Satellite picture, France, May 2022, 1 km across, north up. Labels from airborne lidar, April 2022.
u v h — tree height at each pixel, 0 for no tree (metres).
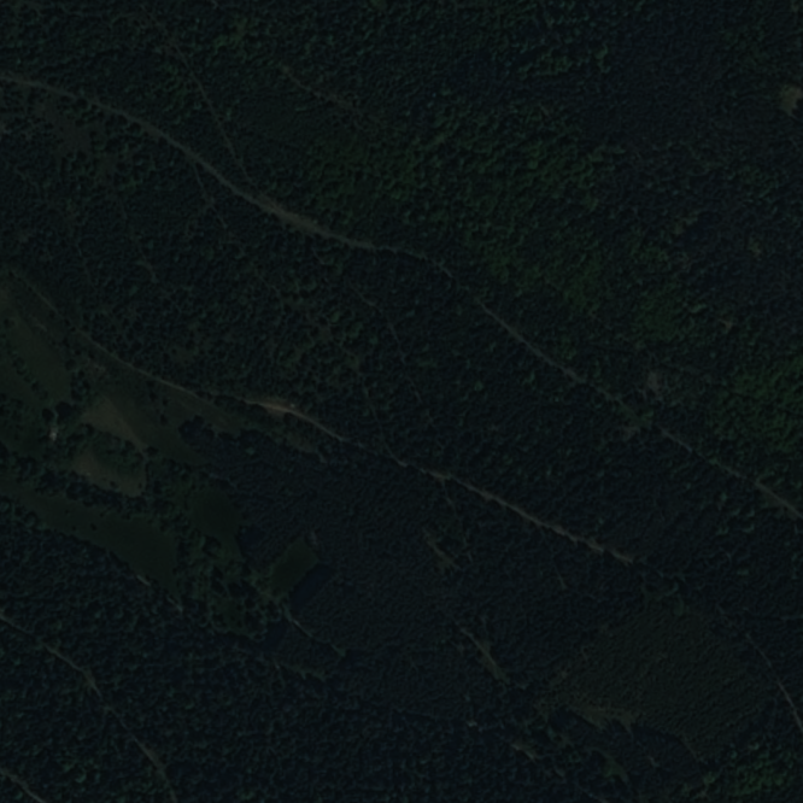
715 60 19
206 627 32
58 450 15
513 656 25
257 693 11
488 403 16
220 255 19
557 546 25
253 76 12
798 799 10
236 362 10
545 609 23
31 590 11
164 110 12
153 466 7
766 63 17
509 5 13
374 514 22
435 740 40
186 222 11
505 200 14
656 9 20
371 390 13
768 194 28
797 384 12
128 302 16
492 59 13
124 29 12
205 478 21
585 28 34
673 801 6
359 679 30
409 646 26
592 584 23
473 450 20
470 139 15
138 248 13
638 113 20
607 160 18
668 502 25
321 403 6
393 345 15
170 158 16
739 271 27
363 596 31
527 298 17
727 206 30
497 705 36
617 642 8
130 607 38
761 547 18
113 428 0
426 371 10
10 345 8
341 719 10
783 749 17
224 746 20
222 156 13
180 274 19
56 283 9
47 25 11
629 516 24
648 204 19
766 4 14
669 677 8
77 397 14
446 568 0
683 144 18
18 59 10
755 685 6
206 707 35
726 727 7
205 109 16
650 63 20
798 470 11
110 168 0
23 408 14
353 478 23
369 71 14
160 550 0
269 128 10
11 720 22
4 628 15
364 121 7
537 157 9
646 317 15
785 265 30
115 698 22
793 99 0
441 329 19
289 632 31
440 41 12
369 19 11
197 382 8
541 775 18
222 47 10
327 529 30
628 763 30
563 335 15
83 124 11
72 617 7
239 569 10
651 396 18
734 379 16
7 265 12
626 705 6
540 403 12
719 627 36
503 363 13
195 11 13
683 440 14
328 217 14
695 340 14
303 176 17
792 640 20
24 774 30
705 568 23
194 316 12
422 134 8
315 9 27
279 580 0
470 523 19
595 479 17
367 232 16
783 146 18
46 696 22
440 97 24
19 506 7
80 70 12
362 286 21
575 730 33
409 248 15
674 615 14
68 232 10
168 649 34
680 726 6
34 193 15
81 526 0
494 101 21
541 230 13
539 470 20
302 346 17
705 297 15
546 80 27
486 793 35
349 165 9
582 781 21
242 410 14
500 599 26
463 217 10
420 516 20
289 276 11
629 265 13
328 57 12
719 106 9
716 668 7
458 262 17
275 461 29
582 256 14
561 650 22
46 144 10
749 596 20
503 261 16
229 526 0
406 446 15
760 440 18
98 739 17
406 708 29
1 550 18
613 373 14
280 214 0
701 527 24
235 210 15
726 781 12
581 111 23
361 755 18
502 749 23
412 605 32
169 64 18
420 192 17
